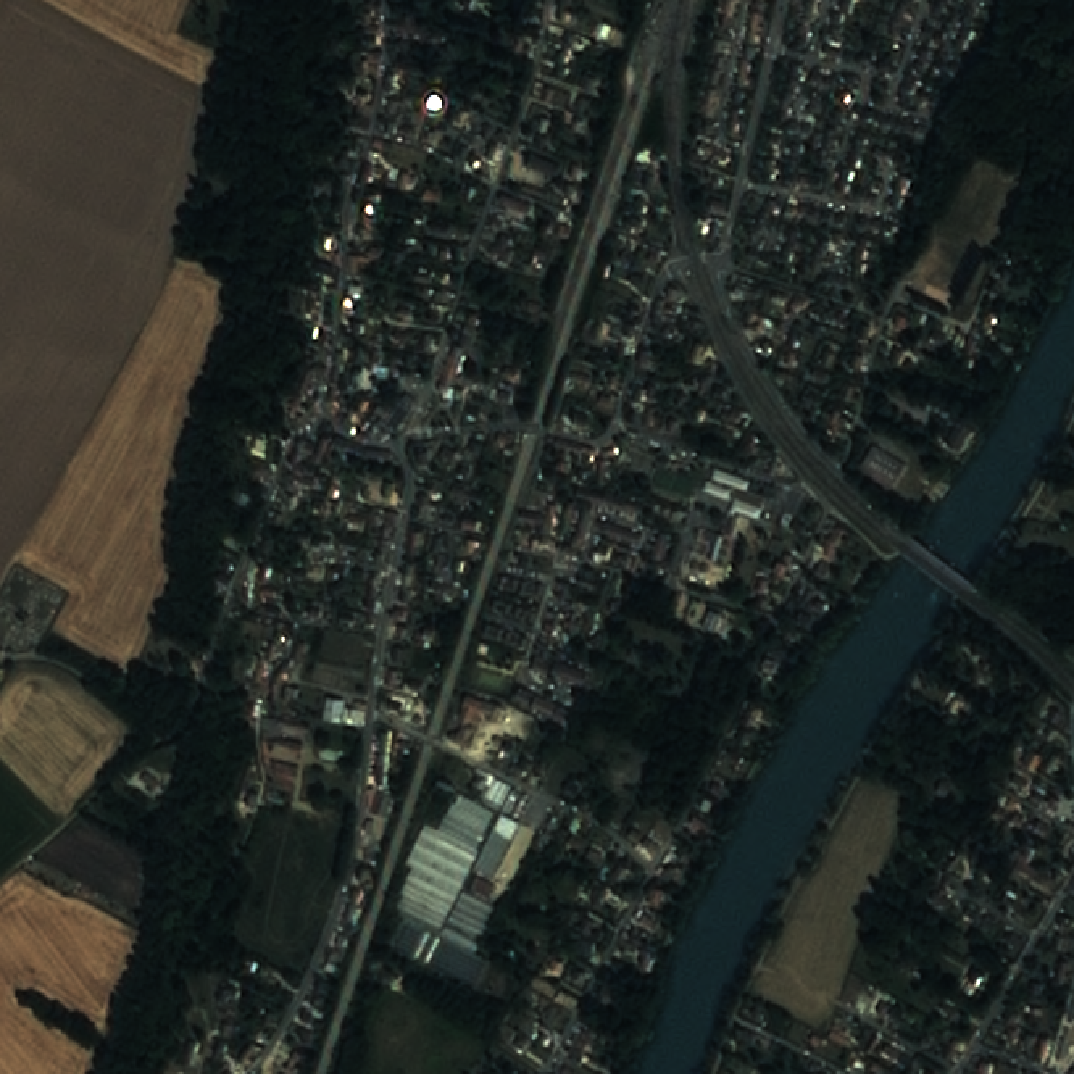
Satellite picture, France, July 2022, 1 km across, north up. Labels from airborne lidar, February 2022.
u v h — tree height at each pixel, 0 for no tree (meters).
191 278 0
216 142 24
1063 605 23
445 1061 0
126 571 0
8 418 0
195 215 15
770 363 7
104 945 0
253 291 23
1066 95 24
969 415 24
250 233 15
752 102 12
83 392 0
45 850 0
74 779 0
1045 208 25
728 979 0
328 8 18
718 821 15
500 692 0
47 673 0
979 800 9
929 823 11
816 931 0
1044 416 0
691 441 7
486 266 7
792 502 0
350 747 7
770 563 7
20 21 0
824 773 0
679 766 12
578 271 0
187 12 0
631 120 0
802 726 0
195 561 12
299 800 0
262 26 22
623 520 0
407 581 0
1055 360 0
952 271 0
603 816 9
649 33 0
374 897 0
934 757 7
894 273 8
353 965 0
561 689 0
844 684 0
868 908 21
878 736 14
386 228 7
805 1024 0
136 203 0
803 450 0
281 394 9
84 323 0
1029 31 26
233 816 9
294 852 0
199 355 0
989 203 0
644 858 0
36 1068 0
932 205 20
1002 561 23
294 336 13
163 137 0
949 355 20
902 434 18
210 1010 0
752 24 0
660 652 17
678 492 0
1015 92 24
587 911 7
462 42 18
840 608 15
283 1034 0
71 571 0
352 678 0
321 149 27
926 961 18
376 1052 0
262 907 0
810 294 7
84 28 0
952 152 23
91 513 0
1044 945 7
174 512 10
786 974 0
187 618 15
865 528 0
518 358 9
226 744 19
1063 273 14
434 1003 14
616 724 14
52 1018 14
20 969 0
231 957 18
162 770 0
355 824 7
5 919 0
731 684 9
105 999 0
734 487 0
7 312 0
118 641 0
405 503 0
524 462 0
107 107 0
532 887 18
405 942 0
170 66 0
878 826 0
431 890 0
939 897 0
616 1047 7
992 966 21
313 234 22
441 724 0
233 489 16
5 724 0
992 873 22
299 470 0
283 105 25
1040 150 25
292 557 12
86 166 0
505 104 7
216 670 18
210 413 18
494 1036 18
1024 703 13
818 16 0
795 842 0
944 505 0
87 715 0
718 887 0
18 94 0
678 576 0
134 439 0
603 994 0
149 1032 22
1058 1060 0
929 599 0
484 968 0
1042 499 0
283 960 0
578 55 5
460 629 15
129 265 0
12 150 0
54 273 0
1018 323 9
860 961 0
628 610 13
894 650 0
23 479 0
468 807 0
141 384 0
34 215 0
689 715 20
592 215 0
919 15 0
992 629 20
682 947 0
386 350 6
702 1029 0
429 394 0
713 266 0
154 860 15
